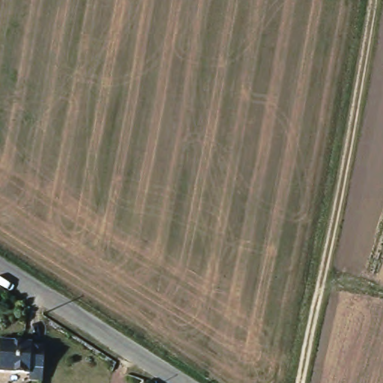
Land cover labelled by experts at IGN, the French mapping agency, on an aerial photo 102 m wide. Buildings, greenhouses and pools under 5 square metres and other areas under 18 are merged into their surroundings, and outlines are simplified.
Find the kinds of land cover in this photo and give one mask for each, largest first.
<instances>
[{"label":"agricultural land","instance_id":"1","mask_svg":"<svg viewBox=\"0 0 383 383\"><path fill-rule=\"evenodd\" d=\"M352 10L350 0H0V244L10 248L13 253L21 254L37 268L54 275L111 313L123 317L127 325L142 329L151 341L168 350L175 358H189L200 370L208 371L209 379L217 380L218 383H281L284 380L283 364L287 355L280 352L281 332L284 320L293 319L290 302L296 299L293 281L301 245L302 224L311 223L313 220L308 215L311 186L319 187L322 175L329 124L334 111L335 82L340 75ZM373 81L370 84L367 105H364L365 120L361 141L356 139L331 268L346 272L347 277L362 275L371 278L383 286V10ZM311 383H383V299L349 292H340L338 298L332 296L326 311L325 326Z\"/></svg>","mask_w":383,"mask_h":383},{"label":"herbaceous vegetation","instance_id":"2","mask_svg":"<svg viewBox=\"0 0 383 383\"><path fill-rule=\"evenodd\" d=\"M352 10L340 75L335 82L334 111L329 124L322 175L319 187L311 186L308 215L313 220L311 223L302 224L301 245L293 281L296 299L290 302L293 319L284 320L281 332L280 352L287 355L283 364L284 380L281 383H295L337 186L368 0H350ZM376 24L356 139L361 141L365 120L364 105H367L370 84L373 81L383 10V0H376ZM0 256L36 280L42 281L55 292L66 296L79 307L90 311L121 334L132 338L199 383H218L217 380L209 379L208 371L200 370L189 358H175L168 350L151 341L142 329L127 325L123 317L111 313L54 275L37 268L21 254L13 253L10 248L0 244ZM340 292H349L383 299V286L371 278L362 275L347 277L346 272L331 268L323 293L305 383H311L325 326L326 311L332 296L338 298ZM1 277L13 284V289L10 290V295L21 301V313L24 314L25 320H12V325L6 326L0 317V338L12 334L13 338H18L19 352L43 355L42 383H112V376L120 364L118 356L108 347L97 343L81 329L67 325L48 310L43 311L42 320L34 325V332L30 334V320L36 314L33 298L27 296V293L19 292L18 278L9 272ZM153 377L133 367L127 371V383H153Z\"/></svg>","mask_w":383,"mask_h":383},{"label":"impervious surface","instance_id":"3","mask_svg":"<svg viewBox=\"0 0 383 383\"><path fill-rule=\"evenodd\" d=\"M9 272L18 278L19 292L27 293V296L33 298L36 314L30 320V334L34 332V325L42 320L43 311L48 310L67 325L81 329L97 343L108 347L118 356L120 364L123 361H130L133 367L153 377V383H199L132 338L121 334L90 311L79 307L66 296L55 292L42 281L36 280L0 256V286L10 290L13 289V284L1 277ZM36 379L28 371L0 370V383H34Z\"/></svg>","mask_w":383,"mask_h":383},{"label":"pervious surface","instance_id":"4","mask_svg":"<svg viewBox=\"0 0 383 383\"><path fill-rule=\"evenodd\" d=\"M376 0H368L337 186L295 383H305L323 293L331 268L356 139L376 24ZM133 367L130 361H123L120 364L112 376V383H127V371Z\"/></svg>","mask_w":383,"mask_h":383},{"label":"building","instance_id":"5","mask_svg":"<svg viewBox=\"0 0 383 383\"><path fill-rule=\"evenodd\" d=\"M0 370L28 371L36 379L34 383H42L43 355L19 352L18 338H13L12 334L0 338Z\"/></svg>","mask_w":383,"mask_h":383},{"label":"brushwood","instance_id":"6","mask_svg":"<svg viewBox=\"0 0 383 383\"><path fill-rule=\"evenodd\" d=\"M0 317L6 326L12 325V320H25L24 314L21 313V301L10 295V290L0 286Z\"/></svg>","mask_w":383,"mask_h":383}]
</instances>
